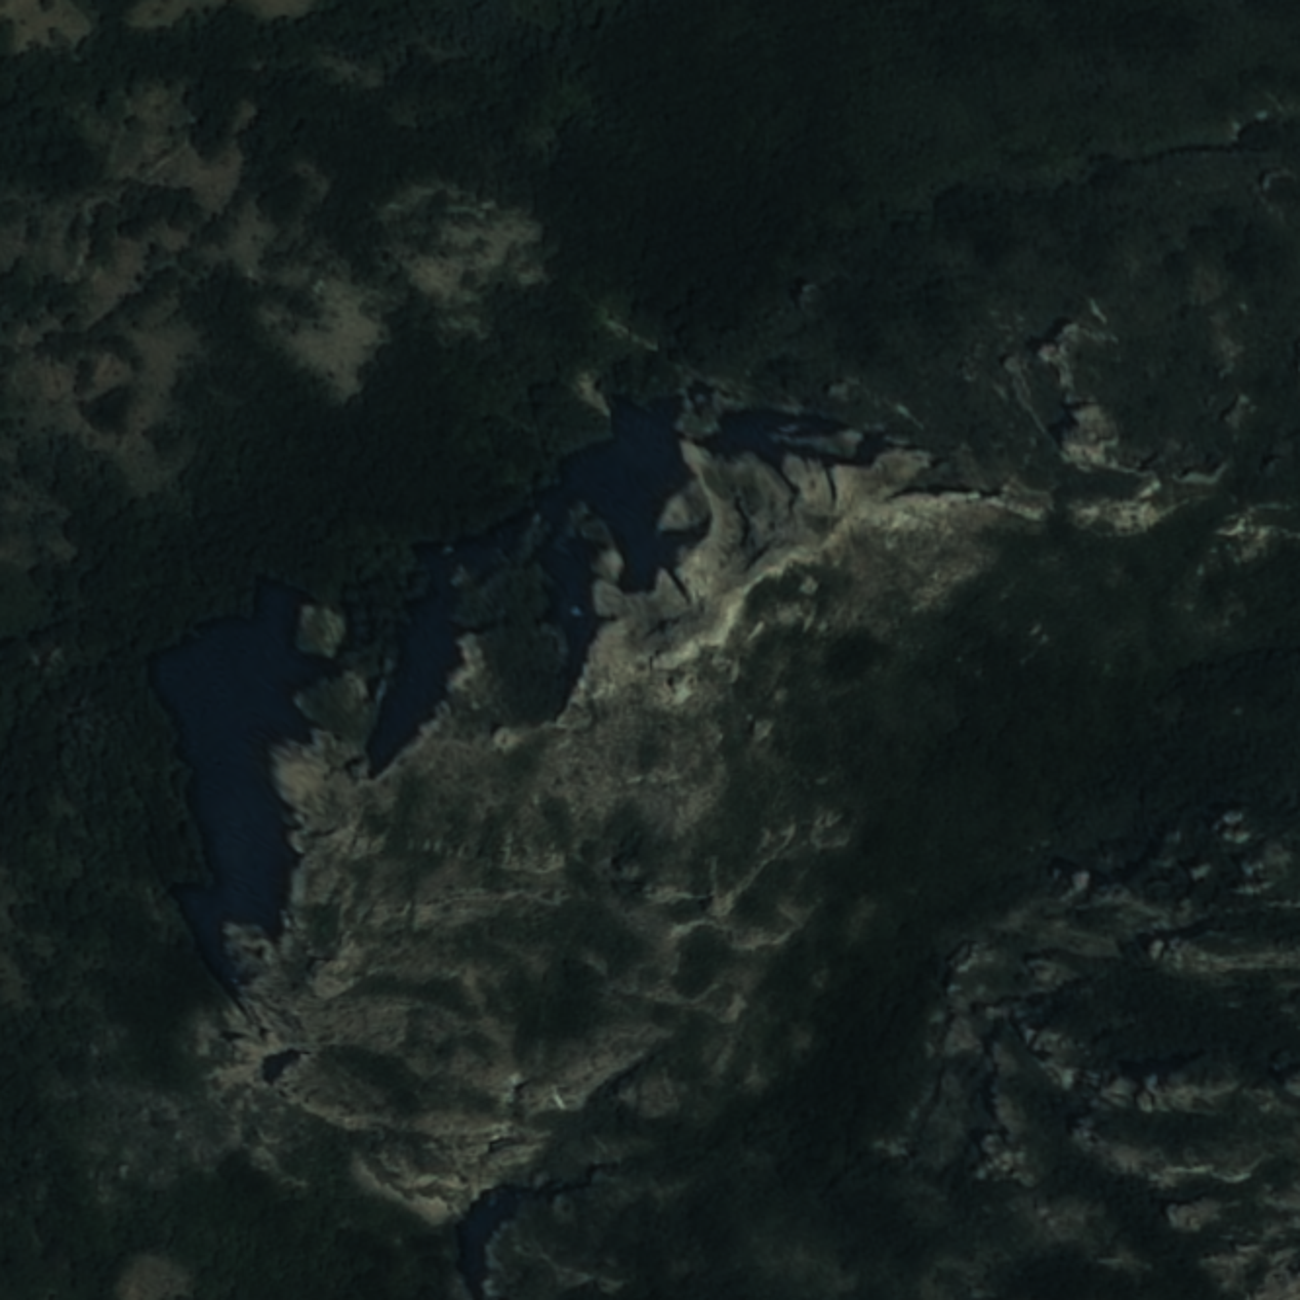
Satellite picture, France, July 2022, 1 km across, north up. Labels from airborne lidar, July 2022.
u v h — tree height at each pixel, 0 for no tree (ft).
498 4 47
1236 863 19
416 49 30
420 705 0
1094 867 33
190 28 21
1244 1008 24
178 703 36
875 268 26
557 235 21
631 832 37
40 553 25
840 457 0
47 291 41
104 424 40
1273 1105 0
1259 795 25
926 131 19
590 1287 34
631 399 33
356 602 42
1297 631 27
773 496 0
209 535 54
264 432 22
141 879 41
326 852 0
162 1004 34
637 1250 20
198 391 21
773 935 22
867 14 29
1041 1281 36
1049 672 22
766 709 19
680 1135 22
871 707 19
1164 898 46
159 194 35
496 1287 21
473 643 0
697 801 0
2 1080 34
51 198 22
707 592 0
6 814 45
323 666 19
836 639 19
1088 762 24
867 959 32
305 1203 37
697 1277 22
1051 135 18
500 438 48
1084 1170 30
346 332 0
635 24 60
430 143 30
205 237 22
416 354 28
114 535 36
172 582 60
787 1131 18
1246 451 22
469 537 52
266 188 20
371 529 51
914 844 19
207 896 22
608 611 0
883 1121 24
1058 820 28
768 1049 21
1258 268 23
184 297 31
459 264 0
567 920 22
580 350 27
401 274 18
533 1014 17
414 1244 30
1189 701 22
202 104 42
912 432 29
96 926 31
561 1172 20
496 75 26
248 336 20
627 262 30
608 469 26
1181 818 26
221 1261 34
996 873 19
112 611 62
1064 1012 38
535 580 19
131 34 40
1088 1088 23
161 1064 18
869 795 24
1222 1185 21
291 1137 23
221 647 50
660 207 57
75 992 23
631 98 58
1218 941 22
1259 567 27
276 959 0
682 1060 20
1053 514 19
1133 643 24
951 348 20
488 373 33
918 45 20
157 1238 38
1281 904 42
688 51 49
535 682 19
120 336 24
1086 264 25
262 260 24
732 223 75
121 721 26
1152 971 28
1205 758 26
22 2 0
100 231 44
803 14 40
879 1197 23
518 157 21
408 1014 20
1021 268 17
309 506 60
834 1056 43
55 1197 35
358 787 0
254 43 46
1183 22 35
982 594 29
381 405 36
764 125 27
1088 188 32
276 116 47
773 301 23
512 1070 0
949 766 27
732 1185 20
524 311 22
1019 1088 21
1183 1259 33
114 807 39
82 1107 19
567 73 42
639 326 20
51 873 27
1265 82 20
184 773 33
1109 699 32
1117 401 18
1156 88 19
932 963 33
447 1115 0
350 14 35
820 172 32
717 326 35
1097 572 20
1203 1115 22
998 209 39
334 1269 52
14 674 56
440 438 61
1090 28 30
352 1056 32
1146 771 29
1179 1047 27
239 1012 0
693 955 38
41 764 52
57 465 32
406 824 20
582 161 48
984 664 24
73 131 51
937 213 31
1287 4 25
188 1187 19
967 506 0
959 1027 0
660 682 0
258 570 56
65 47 28
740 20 22
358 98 38
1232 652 32
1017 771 23
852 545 0
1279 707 30
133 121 41
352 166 42
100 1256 23
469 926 27
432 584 27
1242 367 19
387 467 86
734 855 21
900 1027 28
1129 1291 47
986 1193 24
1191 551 33
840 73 47
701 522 0
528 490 27
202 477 31
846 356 21
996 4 36
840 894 19
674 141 62
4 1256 26
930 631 20
